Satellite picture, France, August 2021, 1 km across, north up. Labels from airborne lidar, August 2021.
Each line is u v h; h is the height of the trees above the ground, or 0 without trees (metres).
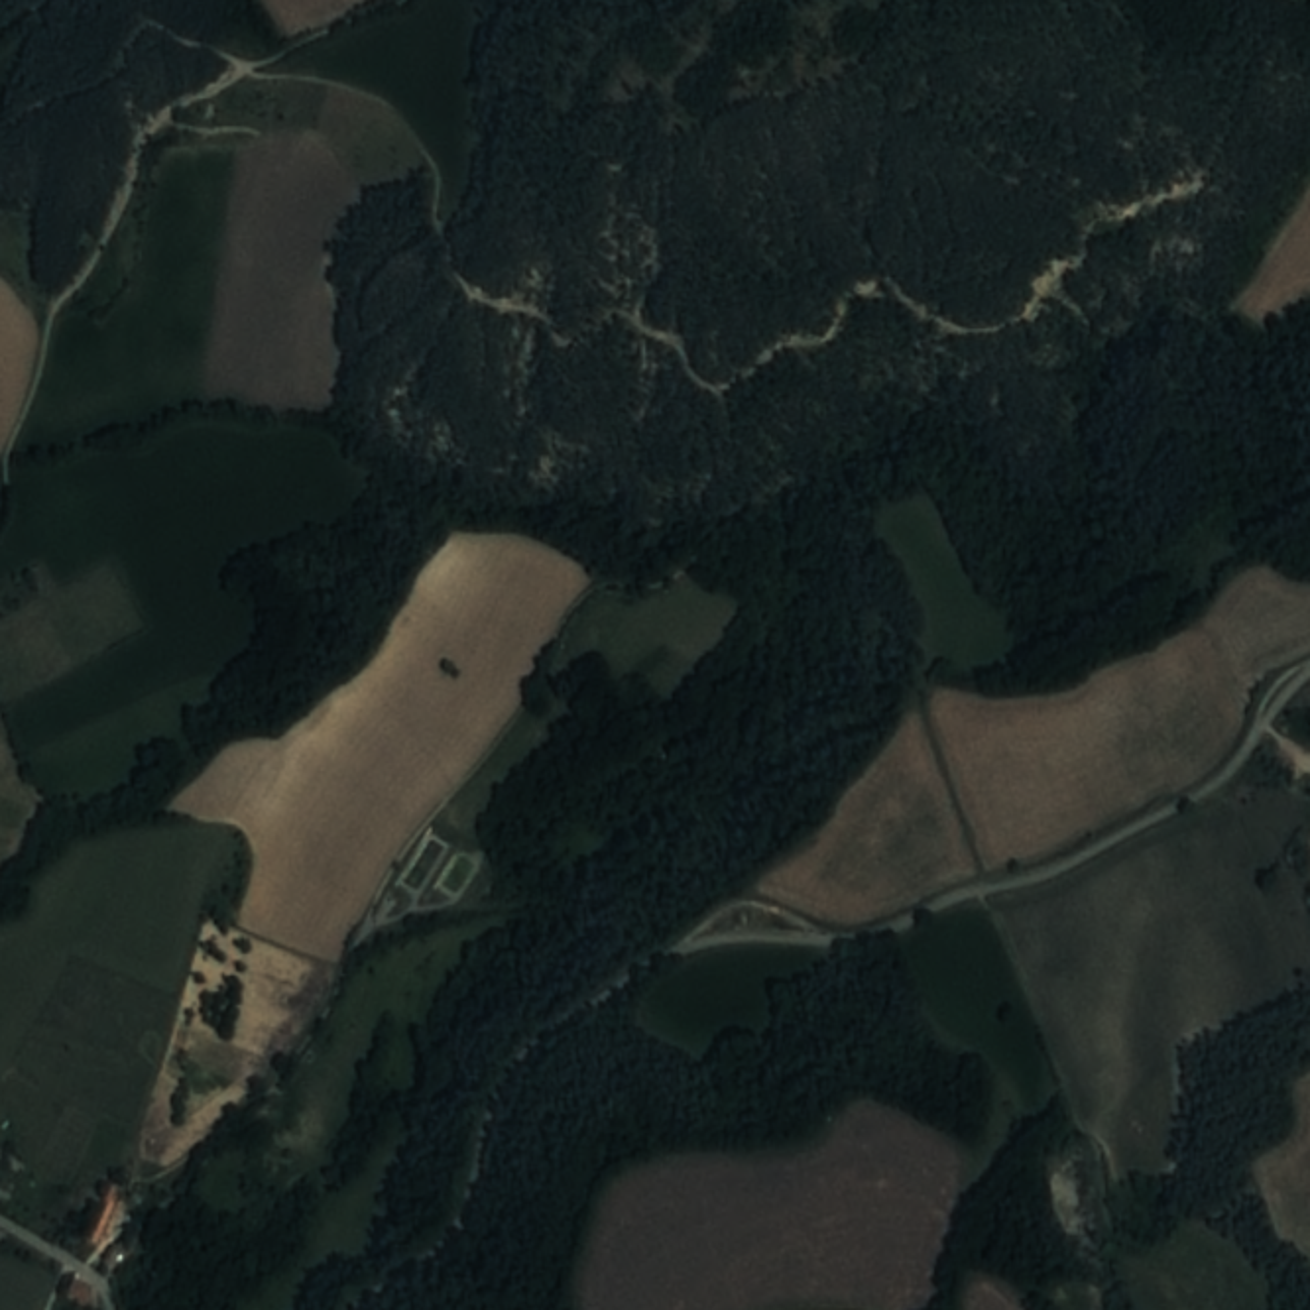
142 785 21
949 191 17
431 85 0
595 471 17
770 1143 11
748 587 14
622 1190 0
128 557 0
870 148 12
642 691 11
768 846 17
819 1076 15
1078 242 17
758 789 25
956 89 20
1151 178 15
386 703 0
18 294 0
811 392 17
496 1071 16
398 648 0
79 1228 11
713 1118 13
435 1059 23
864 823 0
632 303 13
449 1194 14
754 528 25
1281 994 0
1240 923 0
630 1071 14
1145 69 15
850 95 17
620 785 14
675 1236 0
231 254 0
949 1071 12
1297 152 15
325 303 0
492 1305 24
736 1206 0
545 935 19
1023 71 11
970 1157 0
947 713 0
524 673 0
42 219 15
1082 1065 0
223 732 12
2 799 0
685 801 9
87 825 21
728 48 12
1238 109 20
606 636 0
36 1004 0
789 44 8
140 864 0
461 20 0
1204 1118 16
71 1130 0
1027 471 23
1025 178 21
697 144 16
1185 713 0
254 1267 24
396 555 17
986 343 11
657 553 18
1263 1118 12
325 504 0
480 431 18
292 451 0
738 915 0
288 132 0
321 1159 0
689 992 0
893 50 21
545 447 13
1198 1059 9
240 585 22
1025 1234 17
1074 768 0
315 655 12
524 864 7
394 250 8
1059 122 19
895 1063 7
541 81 21
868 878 0
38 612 0
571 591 0
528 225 8
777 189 15
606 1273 0
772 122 17
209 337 0
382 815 0
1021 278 15
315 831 0
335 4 0
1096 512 16
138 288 0
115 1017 0
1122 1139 0
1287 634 0
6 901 17
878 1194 0
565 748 20
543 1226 20
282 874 0
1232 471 15
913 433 16
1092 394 7
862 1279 0
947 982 0
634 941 15
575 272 16
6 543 0
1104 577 29
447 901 0
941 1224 0
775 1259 0
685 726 23
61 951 0
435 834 0
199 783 0
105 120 14
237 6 9
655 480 20
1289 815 0
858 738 15
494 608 0
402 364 9
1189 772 0
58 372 0
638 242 8
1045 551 25
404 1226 18
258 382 0
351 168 0
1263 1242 12
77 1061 0
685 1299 0
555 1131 14
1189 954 0
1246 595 0
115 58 12
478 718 0
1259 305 0
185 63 12
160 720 0
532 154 19
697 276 21
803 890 0
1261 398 25
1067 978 0
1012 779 0
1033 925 0
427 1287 15
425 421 6
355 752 0
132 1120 0
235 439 0
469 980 11
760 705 23
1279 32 14
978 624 0
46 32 12
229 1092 0
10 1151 7
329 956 0
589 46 16
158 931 0
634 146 17
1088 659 25
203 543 0
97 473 0
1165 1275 0
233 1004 8
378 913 0
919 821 0
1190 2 19
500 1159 13
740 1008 0
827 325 10
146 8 14
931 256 14
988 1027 0
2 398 0
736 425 16
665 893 16
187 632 0
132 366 0
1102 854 0
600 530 27
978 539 17
